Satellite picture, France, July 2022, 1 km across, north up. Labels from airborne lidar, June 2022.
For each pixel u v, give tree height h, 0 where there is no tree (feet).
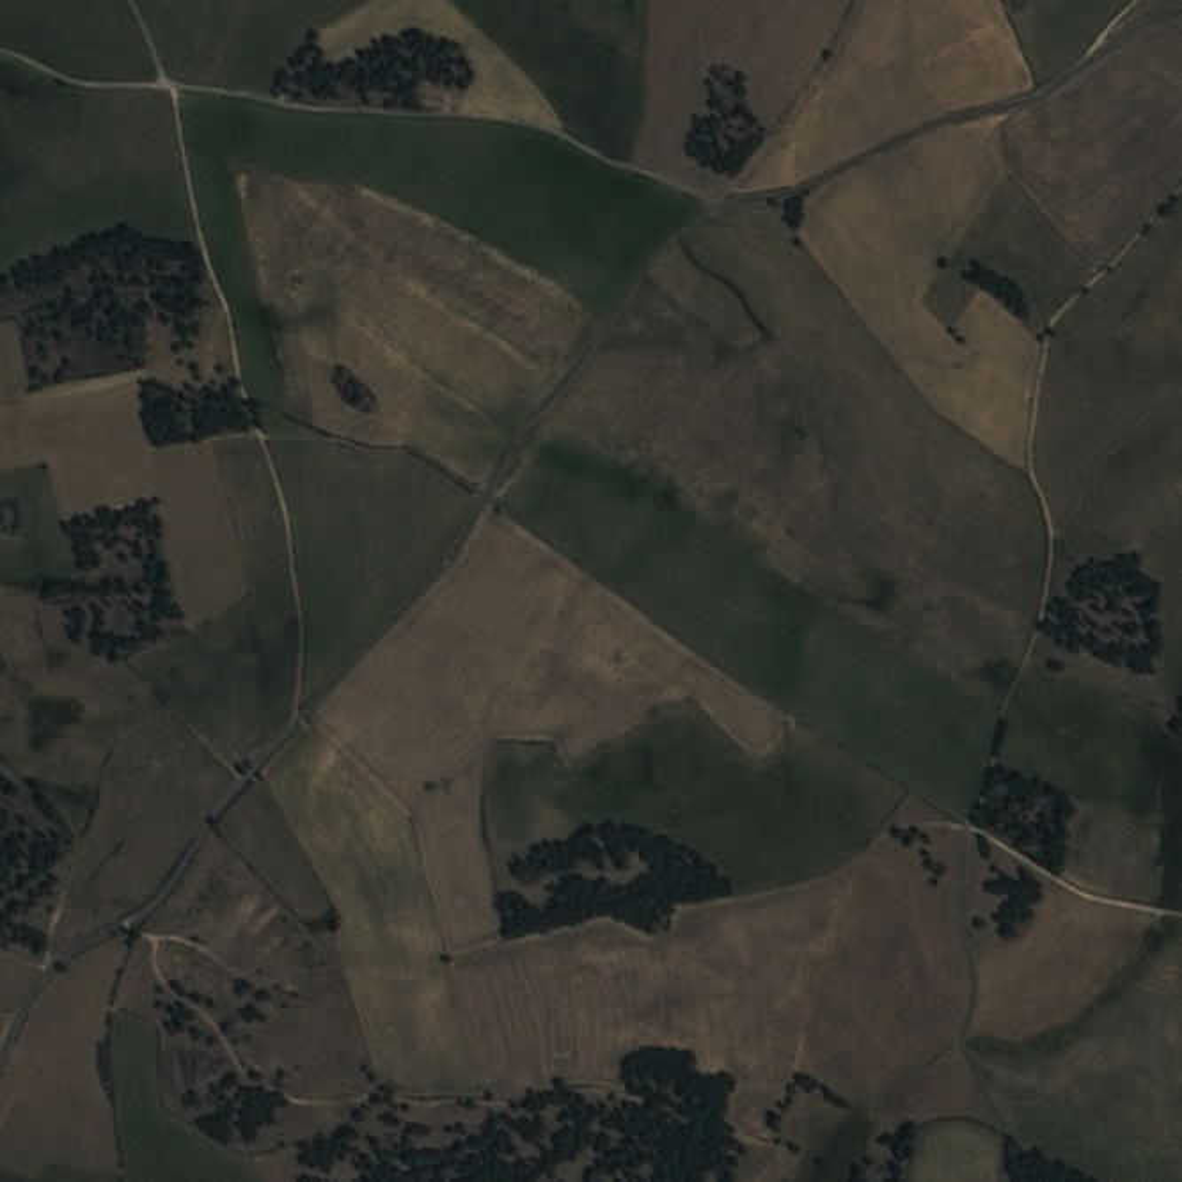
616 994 0
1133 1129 0
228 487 0
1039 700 0
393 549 0
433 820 0
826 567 0
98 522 46
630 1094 43
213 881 0
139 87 0
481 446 0
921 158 0
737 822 0
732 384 0
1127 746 0
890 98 0
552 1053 0
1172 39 0
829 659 0
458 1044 0
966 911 0
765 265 0
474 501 0
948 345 0
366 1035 0
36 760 0
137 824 0
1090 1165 0
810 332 0
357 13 0
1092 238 0
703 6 0
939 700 0
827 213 0
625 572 0
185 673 0
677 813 0
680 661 0
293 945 0
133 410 0
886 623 0
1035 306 0
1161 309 0
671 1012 0
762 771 0
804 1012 0
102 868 0
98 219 0
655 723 0
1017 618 0
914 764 0
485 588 0
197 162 0
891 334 0
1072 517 0
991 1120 0
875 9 0
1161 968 0
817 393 0
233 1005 0
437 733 0
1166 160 0
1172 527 0
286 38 0
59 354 0
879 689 0
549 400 0
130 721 0
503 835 0
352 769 0
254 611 0
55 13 0
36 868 53
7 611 0
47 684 0
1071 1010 0
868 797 0
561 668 0
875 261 0
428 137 0
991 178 0
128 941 27
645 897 51
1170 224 0
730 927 0
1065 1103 0
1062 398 0
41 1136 0
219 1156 0
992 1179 0
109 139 0
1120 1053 0
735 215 0
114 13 0
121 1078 0
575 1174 0
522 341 0
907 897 0
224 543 0
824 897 0
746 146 47
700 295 0
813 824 0
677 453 0
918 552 0
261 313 0
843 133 0
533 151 0
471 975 0
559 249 0
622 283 0
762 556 0
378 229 0
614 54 0
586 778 0
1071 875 0
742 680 0
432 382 0
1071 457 0
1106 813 0
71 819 0
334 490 0
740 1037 0
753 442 0
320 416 0
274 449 0
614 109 0
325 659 0
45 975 0
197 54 0
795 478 0
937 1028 0
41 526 0
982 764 0
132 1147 0
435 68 23
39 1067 0
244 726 0
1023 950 0
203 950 0
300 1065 0
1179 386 0
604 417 0
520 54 0
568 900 52
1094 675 0
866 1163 22
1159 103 0
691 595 0
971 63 0
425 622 0
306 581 0
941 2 0
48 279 40
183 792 0
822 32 0
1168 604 0
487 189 0
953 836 0
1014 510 0
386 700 0
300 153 0
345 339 0
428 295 0
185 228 0
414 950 0
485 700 0
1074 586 45
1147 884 0
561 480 0
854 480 0
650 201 0
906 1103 0
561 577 0
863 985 0
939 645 0
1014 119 0
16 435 0
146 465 0
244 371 0
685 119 0
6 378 0
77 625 37
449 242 0
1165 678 0
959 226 0
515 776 0
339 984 0
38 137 0
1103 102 0
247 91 0
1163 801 0
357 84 38
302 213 0
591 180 0
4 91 0
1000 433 0
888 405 0
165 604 60
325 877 0
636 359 0
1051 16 0
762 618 0
